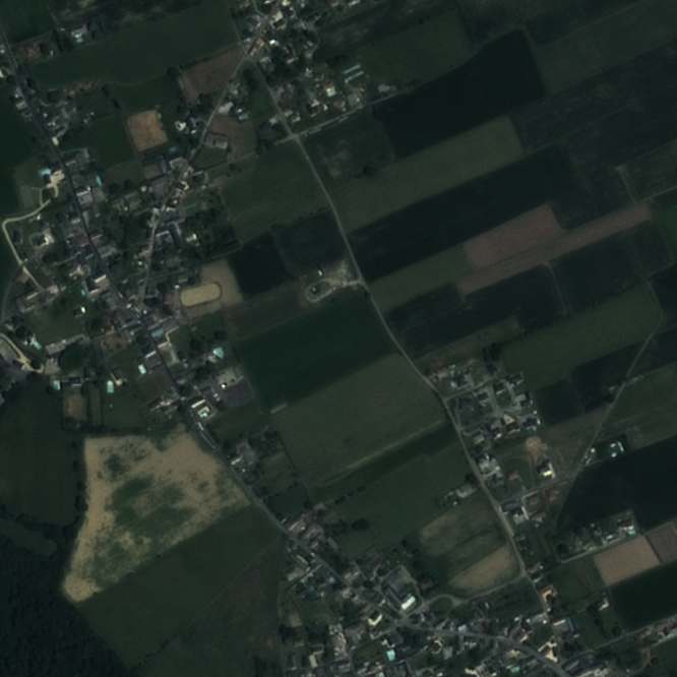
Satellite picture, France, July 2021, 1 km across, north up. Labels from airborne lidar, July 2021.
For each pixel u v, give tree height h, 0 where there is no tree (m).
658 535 0
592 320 0
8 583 18
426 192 0
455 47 0
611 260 0
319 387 0
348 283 0
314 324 0
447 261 0
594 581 0
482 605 9
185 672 0
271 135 0
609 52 0
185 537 0
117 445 0
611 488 0
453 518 0
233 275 0
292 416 0
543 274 0
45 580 18
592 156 0
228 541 0
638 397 0
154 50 0
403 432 0
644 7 0
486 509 0
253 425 0
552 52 0
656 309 0
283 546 0
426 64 0
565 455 0
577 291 0
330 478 0
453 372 0
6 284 0
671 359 0
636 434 0
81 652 26
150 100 0
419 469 0
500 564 0
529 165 0
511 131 0
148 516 0
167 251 14
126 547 0
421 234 0
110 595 0
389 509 0
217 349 0
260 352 0
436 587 7
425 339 0
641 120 0
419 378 0
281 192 0
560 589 0
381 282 0
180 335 0
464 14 0
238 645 0
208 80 0
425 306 0
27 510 0
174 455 0
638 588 0
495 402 0
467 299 0
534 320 0
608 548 0
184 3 0
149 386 0
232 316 0
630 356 0
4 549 18
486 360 8
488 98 0
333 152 0
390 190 0
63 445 0
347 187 0
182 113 14
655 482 0
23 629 24
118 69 0
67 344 0
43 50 14
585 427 0
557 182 0
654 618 0
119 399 0
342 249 0
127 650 0
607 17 0
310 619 0
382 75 0
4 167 0
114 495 0
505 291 0
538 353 0
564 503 0
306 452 0
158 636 0
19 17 0
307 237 0
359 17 0
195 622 0
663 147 0
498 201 0
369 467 0
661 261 0
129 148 0
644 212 0
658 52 0
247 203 0
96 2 0
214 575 0
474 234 0
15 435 0
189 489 0
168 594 0
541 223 0
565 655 7
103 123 0
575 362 0
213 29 0
